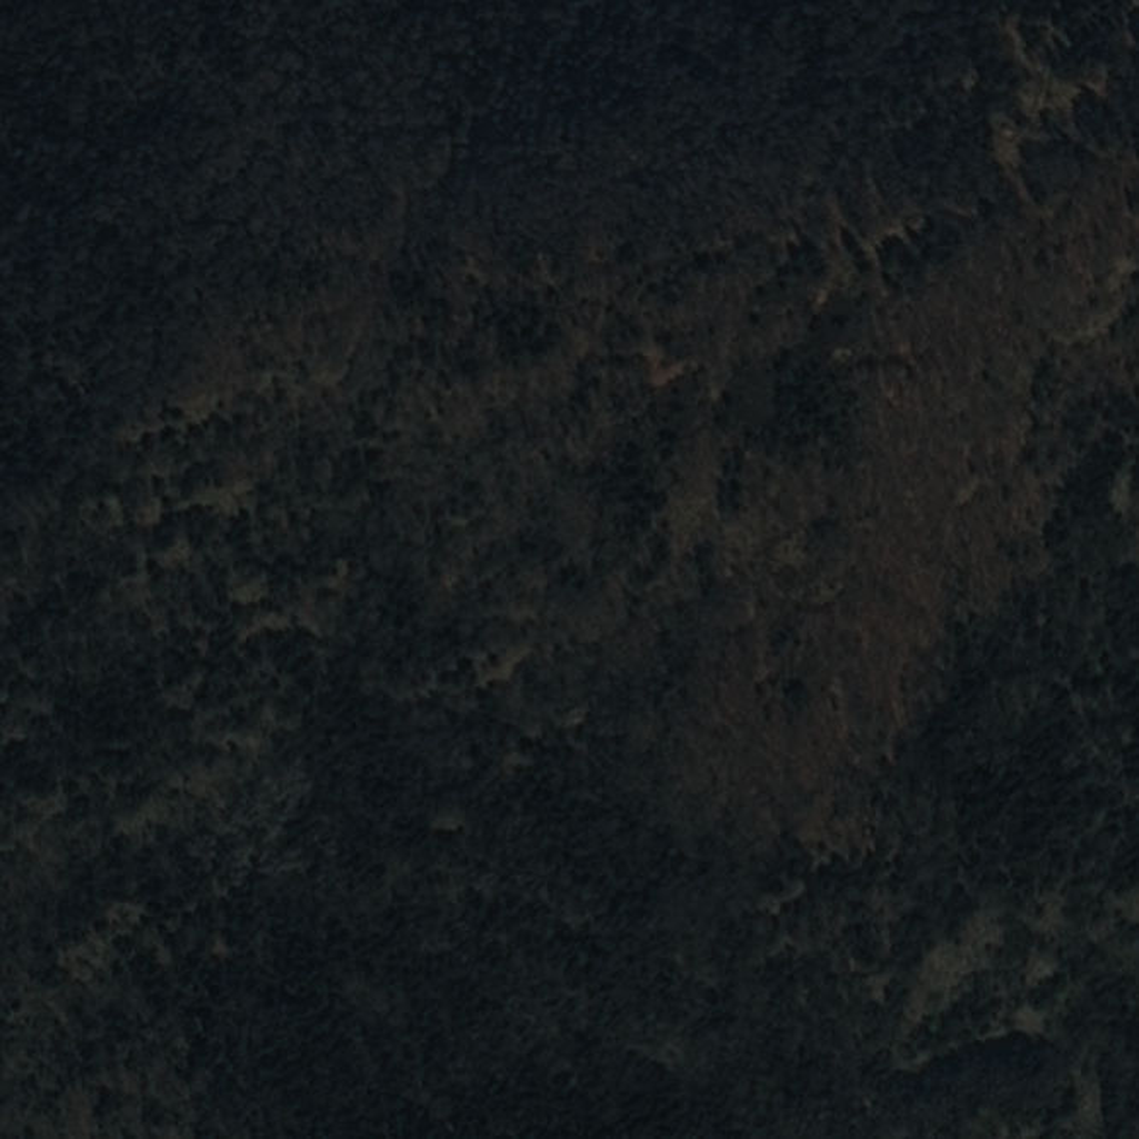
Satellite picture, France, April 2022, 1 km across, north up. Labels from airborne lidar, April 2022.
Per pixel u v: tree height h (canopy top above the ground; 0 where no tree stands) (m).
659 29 29
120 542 15
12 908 24
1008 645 27
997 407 22
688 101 29
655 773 16
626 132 17
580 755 15
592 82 24
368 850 26
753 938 19
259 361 16
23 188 20
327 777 22
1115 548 20
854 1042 24
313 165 26
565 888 20
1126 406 17
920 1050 24
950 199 10
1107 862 21
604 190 21
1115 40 22
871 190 15
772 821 24
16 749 27
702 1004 24
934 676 21
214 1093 21
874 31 26
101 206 17
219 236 12
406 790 21
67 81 23
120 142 10
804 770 18
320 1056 27
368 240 13
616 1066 27
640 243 16
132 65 12
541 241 16
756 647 12
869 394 11
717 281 14
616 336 5
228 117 21
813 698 15
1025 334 15
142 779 19
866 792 21
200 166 16
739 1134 24
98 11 15
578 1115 29
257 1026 28
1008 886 29
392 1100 30
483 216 19
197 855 33
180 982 21
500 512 19
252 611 18
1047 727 21
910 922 19
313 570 19
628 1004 28
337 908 17
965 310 17
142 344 19
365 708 23
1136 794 23
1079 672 28
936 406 10
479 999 26
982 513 18
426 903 17
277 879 27
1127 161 10
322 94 27
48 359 17
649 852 26
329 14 30
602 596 13
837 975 23
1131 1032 28
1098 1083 18
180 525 19
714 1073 23
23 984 20
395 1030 21
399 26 27
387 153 15
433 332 8
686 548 11
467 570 22
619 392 10
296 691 26
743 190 23
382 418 7
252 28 24
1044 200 10
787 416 12
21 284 21
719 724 9
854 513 7
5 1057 8
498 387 7
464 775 14
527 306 11
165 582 24
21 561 24
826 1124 25
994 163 15
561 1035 19
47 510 19
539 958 21
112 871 28
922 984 20
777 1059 25
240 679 13
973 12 29
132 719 22
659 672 16
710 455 15
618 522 19
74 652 18
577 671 24
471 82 20
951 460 18
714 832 19
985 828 25
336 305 16
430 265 19
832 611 13
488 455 15
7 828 16
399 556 16
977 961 11
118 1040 14
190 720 9
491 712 26
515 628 23
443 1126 25
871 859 12
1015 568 23
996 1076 28
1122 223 13
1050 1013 15
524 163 20
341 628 23
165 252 19
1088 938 29
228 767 22
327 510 19
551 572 18
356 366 19
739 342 14
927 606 16
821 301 0
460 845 15
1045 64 10
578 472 14
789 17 29
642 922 25
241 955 29
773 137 26
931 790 31
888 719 21
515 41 29
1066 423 13
